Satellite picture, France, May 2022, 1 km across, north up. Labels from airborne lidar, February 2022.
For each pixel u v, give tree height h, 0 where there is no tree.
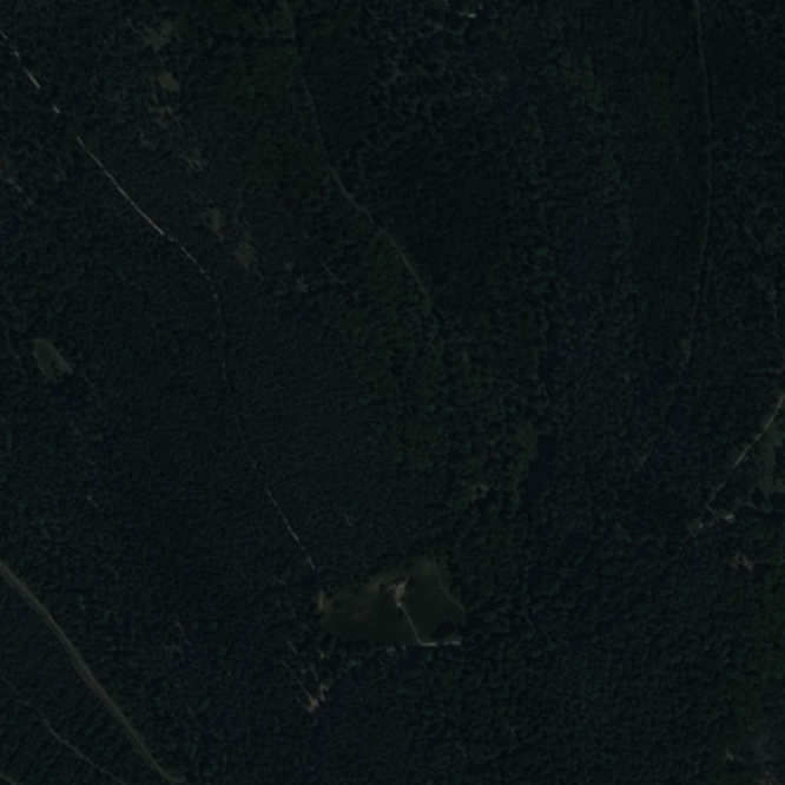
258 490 24
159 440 25
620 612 28
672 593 27
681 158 15
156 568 30
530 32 20
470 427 32
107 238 30
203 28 6
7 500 19
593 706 31
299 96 26
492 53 32
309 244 15
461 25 34
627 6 18
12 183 24
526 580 11
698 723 22
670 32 15
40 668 22
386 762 24
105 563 29
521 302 13
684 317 20
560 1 29
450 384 27
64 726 14
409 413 26
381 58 38
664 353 18
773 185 13
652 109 17
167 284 23
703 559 23
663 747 23
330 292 23
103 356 29
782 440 0
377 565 23
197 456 26
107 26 9
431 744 26
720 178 11
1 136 23
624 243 16
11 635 15
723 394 18
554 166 21
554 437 31
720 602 22
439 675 30
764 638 25
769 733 20
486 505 27
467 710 26
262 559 30
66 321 29
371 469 21
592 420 29
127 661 28
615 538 28
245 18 15
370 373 25
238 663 26
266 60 27
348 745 28
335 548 20
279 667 24
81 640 24
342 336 26
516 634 31
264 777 26
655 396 33
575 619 34
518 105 31
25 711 14
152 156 23
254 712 31
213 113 23
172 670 31
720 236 10
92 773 14
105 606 31
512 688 28
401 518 28
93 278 25
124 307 25
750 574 20
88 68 21
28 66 27
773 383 16
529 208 20
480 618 24
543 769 28
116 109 12
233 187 21
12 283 25
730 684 27
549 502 29
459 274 18
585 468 29
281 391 21
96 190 18
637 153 22
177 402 23
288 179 22
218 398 23
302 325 23
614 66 19
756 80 14
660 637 30
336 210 21
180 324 24
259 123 31
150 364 27
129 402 26
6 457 31
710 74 10
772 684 26
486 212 20
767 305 26
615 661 24
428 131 16
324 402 22
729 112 10
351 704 29
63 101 28
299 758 25
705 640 25
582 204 19
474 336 12
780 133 11
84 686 19
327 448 22
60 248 24
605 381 30
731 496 15
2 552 20
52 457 31
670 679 26
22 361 29
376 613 0
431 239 19
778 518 24
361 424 26
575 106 12
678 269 16
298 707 24
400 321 28
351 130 22
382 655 13
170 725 26
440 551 11
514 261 17
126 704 16
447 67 35
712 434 18
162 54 13
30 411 30
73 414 32
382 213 16
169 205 15
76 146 25
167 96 7
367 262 25
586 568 28
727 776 24
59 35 23
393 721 28
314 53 21
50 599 21
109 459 25
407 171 18
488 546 30
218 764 29
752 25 9
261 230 13
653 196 18
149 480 26
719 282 8
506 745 29
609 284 28
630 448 29
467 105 12
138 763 12
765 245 27
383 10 30
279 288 10
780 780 24
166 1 13
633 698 24
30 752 14
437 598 0
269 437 19
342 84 23
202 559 28
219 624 32
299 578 6
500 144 21
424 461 27
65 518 27
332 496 24
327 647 18
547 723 27
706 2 8
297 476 21
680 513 12
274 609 29
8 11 7
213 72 28
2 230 15
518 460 10
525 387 21
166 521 29
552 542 14
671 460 27
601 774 29
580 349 35
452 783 27
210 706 28
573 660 25
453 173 17
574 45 26
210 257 21
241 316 23
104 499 27
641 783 25
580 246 26
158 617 31
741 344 15
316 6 12
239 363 22
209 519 26
